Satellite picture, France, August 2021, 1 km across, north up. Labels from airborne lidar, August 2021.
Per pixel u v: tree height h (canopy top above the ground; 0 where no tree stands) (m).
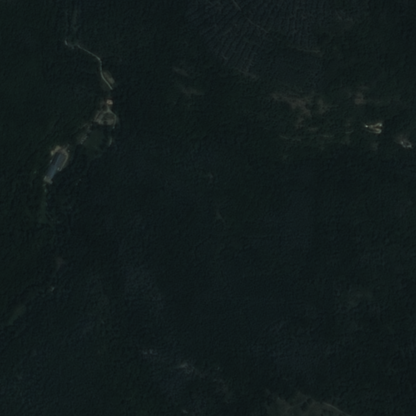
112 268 18
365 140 10
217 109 20
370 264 10
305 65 14
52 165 0
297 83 14
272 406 9
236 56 15
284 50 10
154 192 21
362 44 6
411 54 23
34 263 13
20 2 15
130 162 10
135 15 13
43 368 6
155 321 9
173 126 17
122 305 28
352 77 13
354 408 16
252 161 23
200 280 13
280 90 6
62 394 16
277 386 21
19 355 11
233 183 20
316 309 12
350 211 13
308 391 13
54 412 13
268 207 23
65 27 9
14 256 16
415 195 11
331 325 15
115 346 18
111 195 17
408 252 8
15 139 15
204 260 9
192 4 13
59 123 15
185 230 11
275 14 15
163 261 16
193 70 7
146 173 13
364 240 13
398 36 20
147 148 14
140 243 12
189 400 12
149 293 9
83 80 17
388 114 12
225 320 15
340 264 9
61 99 11
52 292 12
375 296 9
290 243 23
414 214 14
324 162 21
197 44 13
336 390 9
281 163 13
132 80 25
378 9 17
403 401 17
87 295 9
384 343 23
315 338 13
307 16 13
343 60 13
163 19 15
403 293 18
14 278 19
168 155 17
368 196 6
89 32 11
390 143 13
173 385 14
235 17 15
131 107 24
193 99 11
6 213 27
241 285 13
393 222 9
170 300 8
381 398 13
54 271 12
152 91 23
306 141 9
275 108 6
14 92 20
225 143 28
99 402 18
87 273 12
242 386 15
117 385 21
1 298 26
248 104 13
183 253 14
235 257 8
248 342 13
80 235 21
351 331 13
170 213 19
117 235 16
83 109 9
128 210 18
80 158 22
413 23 14
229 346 17
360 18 9
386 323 10
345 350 16
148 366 11
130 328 29
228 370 16
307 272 21
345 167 10
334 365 20
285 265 17
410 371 16
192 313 15
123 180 16
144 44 10
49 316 19
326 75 14
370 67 11
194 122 15
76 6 14
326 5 16
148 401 27
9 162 21
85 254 17
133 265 12
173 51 12
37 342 9
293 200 21
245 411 10
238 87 12
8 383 7
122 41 8
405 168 23
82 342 10
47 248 23
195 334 13
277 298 12
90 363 12
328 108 6
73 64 22
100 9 21
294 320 17
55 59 23
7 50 24
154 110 21
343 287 9
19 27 22
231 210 13
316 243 20
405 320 16
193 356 9
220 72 14
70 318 14
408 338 11
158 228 24
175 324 10
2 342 17
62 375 10
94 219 21
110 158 13
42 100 21
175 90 10
